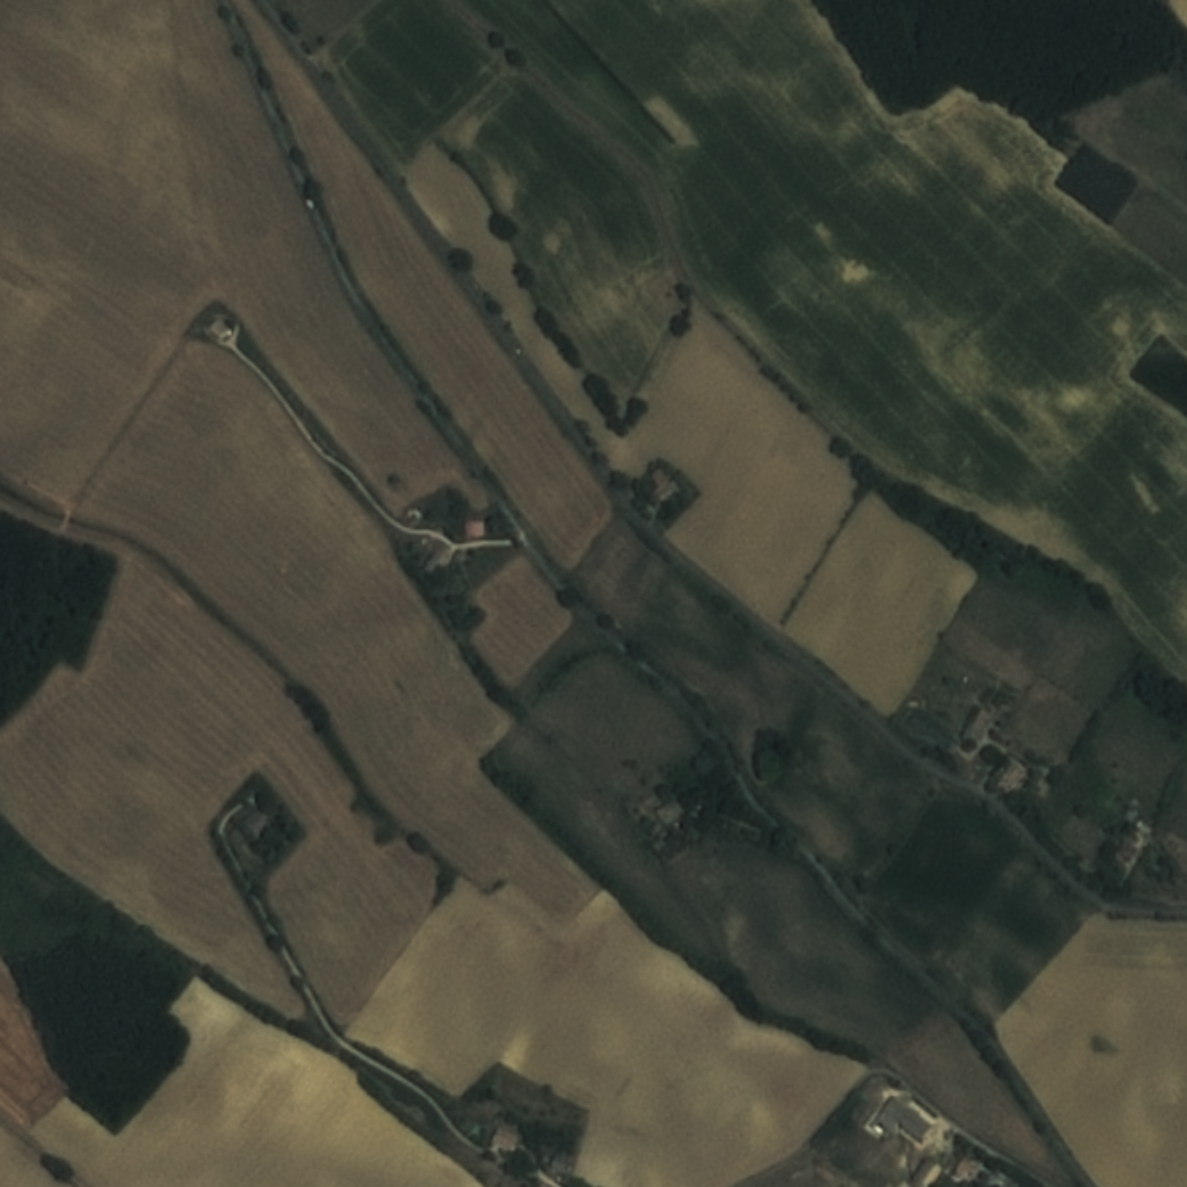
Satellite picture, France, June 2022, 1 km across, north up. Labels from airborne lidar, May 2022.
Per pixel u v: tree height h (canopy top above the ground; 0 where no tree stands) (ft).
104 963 56
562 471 0
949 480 0
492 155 0
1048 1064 0
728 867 0
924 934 0
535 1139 33
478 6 0
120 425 0
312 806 0
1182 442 0
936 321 0
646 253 0
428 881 0
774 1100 0
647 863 0
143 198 0
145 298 0
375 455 0
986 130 0
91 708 0
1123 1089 0
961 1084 0
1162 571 0
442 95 0
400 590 0
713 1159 0
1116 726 0
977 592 0
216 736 0
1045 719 0
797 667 0
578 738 0
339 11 0
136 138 0
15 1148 0
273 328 0
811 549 0
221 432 0
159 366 0
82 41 0
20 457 0
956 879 0
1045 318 0
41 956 25
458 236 0
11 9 0
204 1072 0
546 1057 0
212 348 0
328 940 0
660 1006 0
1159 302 0
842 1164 0
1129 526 0
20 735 0
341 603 0
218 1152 0
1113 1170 0
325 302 0
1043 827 35
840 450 56
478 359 0
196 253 0
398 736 0
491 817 0
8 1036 0
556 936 0
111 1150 0
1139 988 0
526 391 0
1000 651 0
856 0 34
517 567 0
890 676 0
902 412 0
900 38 30
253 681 0
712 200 0
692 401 0
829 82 0
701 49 0
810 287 0
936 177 0
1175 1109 0
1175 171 0
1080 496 0
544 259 0
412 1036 0
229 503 0
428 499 0
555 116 0
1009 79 43
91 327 0
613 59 0
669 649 0
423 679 0
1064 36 69
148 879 0
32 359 0
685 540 0
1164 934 0
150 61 0
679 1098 0
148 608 0
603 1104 0
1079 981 0
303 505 0
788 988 0
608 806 0
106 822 0
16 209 0
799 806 0
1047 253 0
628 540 0
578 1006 0
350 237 0
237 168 0
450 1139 0
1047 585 0
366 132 0
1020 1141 0
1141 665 21
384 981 0
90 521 0
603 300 0
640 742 0
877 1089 0
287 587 0
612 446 0
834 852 0
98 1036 61
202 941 0
